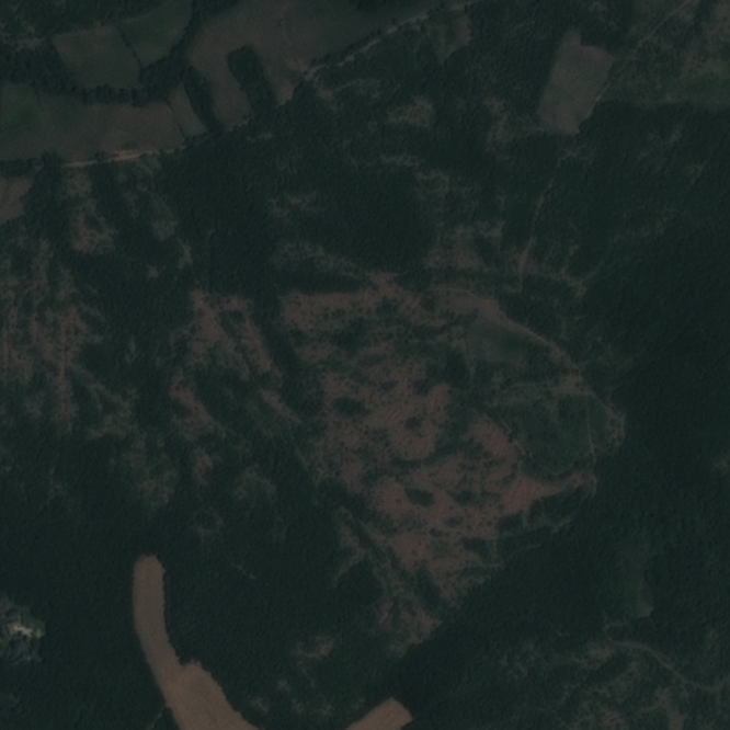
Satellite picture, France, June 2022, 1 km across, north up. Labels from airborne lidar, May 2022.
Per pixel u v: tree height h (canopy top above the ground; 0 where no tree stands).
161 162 9
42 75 21
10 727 16
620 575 13
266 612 9
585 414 6
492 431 0
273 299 8
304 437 8
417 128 6
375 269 7
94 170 6
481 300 0
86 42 0
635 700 6
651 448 9
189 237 6
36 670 15
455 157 5
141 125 0
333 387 0
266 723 8
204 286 6
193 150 15
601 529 11
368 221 13
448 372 8
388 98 7
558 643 8
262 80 7
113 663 16
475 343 0
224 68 0
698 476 9
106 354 7
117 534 11
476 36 12
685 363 9
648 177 5
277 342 7
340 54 8
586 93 0
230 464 8
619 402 5
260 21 0
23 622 9
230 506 10
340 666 8
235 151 13
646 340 6
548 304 7
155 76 25
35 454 8
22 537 10
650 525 11
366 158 7
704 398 10
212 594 9
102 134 0
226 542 7
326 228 11
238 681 11
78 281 7
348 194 11
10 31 8
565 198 7
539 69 12
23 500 7
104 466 11
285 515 8
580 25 8
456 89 13
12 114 0
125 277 8
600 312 6
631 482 14
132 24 0
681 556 17
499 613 10
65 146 0
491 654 9
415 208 10
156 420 8
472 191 6
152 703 11
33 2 10
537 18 8
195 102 12
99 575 15
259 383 5
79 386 6
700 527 10
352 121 9
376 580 9
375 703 10
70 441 6
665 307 7
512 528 6
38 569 12
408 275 6
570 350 5
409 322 7
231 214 13
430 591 10
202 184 12
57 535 12
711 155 6
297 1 0
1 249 7
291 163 6
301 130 9
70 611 16
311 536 10
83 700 13
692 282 12
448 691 10
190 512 9
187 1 0
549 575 12
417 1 0
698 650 9
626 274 6
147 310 8
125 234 6
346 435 0
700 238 7
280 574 9
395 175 11
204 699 0
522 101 8
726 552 16
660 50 8
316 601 11
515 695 9
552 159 8
